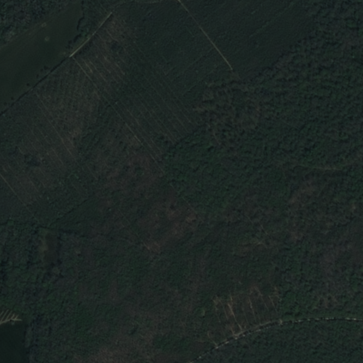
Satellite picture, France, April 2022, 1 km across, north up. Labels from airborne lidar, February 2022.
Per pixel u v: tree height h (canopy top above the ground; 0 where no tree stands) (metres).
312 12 24
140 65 12
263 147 24
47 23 0
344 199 22
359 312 20
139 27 12
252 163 17
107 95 12
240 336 0
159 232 6
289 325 15
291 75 23
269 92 16
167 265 16
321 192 23
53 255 0
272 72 23
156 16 12
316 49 28
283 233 22
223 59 11
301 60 29
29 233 16
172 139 15
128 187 15
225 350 28
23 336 0
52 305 26
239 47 12
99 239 19
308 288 22
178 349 10
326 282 24
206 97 18
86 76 14
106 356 20
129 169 10
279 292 0
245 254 6
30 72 0
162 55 11
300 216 21
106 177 16
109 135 0
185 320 13
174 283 16
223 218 20
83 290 18
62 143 16
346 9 24
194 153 21
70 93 15
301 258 23
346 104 26
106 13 15
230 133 14
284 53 12
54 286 21
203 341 29
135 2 9
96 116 12
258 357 21
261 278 13
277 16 11
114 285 17
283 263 24
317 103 28
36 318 15
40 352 15
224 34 13
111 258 17
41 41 0
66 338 21
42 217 13
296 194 22
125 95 13
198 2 15
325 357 21
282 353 23
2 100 0
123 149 15
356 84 25
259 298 23
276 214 24
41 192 16
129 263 17
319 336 22
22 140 13
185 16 9
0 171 13
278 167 25
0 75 0
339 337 20
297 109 26
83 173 11
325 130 26
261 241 22
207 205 21
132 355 14
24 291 23
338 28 29
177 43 12
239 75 19
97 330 18
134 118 0
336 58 22
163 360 10
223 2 13
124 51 14
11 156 12
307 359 20
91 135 8
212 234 22
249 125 26
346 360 22
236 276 11
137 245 9
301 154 25
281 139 24
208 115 20
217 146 26
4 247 18
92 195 13
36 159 17
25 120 17
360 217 21
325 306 24
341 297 25
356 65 25
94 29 15
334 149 14
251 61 11
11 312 0
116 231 19
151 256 18
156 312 16
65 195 13
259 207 12
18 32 8
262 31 14
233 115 23
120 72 14
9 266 24
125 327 16
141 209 13
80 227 17
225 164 25
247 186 25
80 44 20
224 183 24
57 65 0
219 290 6
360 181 23
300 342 19
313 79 27
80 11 0
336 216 21
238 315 24
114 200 10
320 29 25
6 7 7
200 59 12
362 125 25
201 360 24
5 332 0
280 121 19
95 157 0
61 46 0
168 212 13
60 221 10
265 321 18
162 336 16
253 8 11
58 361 22
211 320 14
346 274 26
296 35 12
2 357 0
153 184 13
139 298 17
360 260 15
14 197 15
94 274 19
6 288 20
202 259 13
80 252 25
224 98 26
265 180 23
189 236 11
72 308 24
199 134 22
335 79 27
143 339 17
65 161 14
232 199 22
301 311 21
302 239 23
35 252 24
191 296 15
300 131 19
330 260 26
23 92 0
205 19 13
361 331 19
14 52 0
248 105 6
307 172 17
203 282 13
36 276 28
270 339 19
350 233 18
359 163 7
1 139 17
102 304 18
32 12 7
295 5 13
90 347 16
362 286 24
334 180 22
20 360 0
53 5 11
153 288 16
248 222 22
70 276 28
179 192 23
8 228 21
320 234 12
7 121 14
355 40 26
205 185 23
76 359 18
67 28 0
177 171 23
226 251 14
